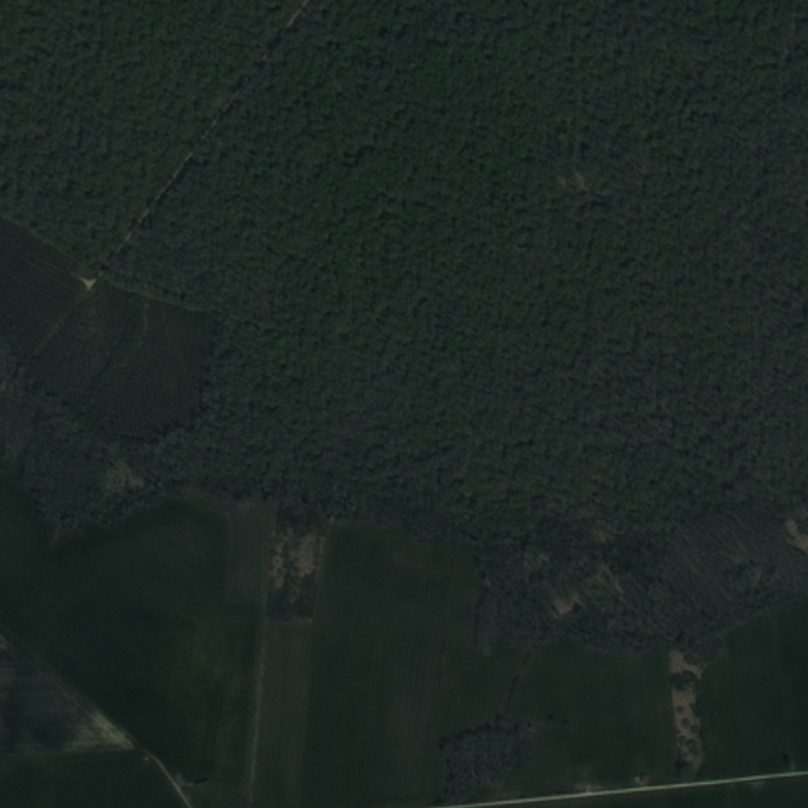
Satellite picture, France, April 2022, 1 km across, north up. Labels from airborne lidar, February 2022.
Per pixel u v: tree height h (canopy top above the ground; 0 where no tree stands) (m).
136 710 0
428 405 26
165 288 25
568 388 23
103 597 0
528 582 21
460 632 0
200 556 0
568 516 24
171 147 23
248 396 29
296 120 25
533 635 23
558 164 26
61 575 0
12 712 0
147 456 21
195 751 0
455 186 25
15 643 0
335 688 0
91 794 0
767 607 19
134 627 0
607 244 21
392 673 0
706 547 22
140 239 23
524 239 22
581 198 27
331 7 22
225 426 28
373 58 26
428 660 0
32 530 0
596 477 24
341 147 23
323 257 23
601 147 26
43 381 12
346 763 0
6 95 24
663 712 0
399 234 24
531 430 26
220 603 0
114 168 21
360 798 0
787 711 0
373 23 21
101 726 0
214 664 0
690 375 25
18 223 23
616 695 0
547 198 24
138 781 0
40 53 22
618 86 25
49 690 0
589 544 14
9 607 0
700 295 23
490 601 20
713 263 21
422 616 0
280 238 23
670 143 24
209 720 0
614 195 27
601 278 25
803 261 22
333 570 0
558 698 0
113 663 0
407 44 25
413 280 23
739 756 0
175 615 0
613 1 27
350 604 0
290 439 27
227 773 0
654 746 0
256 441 26
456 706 0
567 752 0
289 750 0
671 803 0
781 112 25
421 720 0
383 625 0
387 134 27
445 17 25
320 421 29
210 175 18
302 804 0
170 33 26
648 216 25
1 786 0
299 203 23
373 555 0
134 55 25
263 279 22
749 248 24
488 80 22
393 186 26
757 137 24
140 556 0
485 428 27
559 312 20
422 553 0
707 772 5
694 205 21
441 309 23
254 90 23
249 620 0
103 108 23
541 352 23
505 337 24
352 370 24
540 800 0
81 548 0
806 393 23
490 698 0
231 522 0
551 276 25
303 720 0
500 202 25
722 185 24
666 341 22
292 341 27
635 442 25
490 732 7
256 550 0
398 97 20
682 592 22
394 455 24
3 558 0
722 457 27
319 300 23
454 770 17
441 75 19
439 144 26
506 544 18
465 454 25
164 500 17
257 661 0
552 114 25
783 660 0
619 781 0
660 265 22
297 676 0
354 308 23
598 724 0
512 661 0
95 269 9
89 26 23
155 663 0
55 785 0
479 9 26
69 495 22
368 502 16
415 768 0
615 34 26
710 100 27
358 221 25
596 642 21
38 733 0
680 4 26
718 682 0
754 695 0
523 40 26
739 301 22
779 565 20
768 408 25
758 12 29
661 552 21
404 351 26
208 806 0
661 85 21
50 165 23
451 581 0
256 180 22
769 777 0
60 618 0
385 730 0
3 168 23
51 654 0
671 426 27
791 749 0
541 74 23
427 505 19
